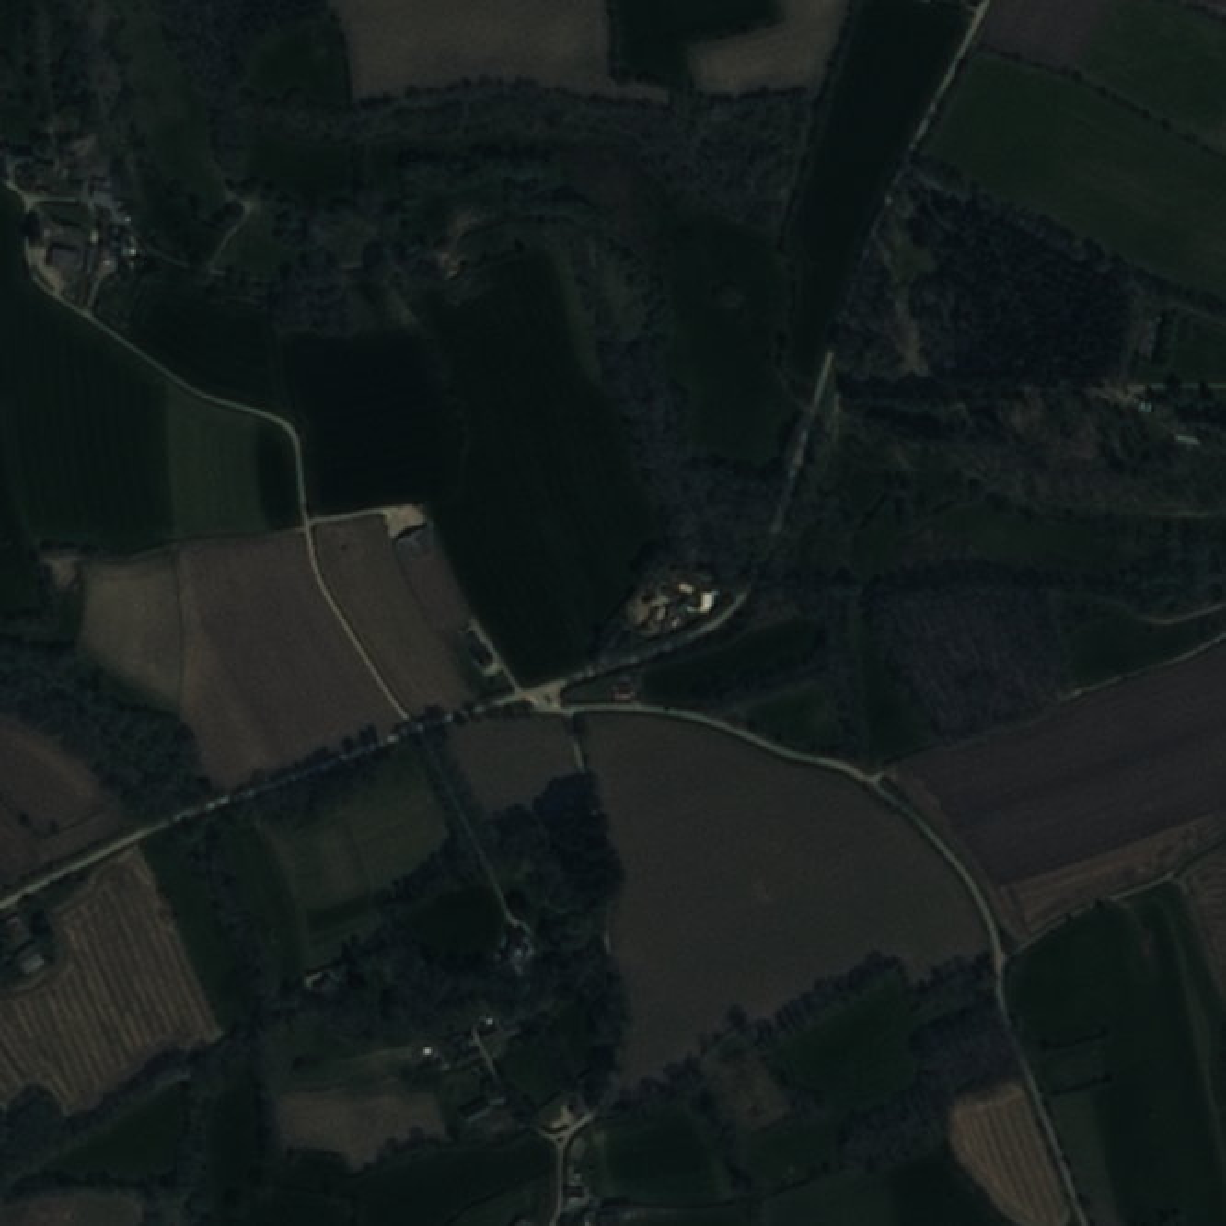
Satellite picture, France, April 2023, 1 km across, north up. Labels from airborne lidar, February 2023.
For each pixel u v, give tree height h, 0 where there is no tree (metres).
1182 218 0
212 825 12
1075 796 0
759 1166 0
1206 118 0
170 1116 0
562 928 23
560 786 0
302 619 0
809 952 0
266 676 0
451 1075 0
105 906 0
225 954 0
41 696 14
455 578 0
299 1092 0
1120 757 0
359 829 0
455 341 0
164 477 0
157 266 10
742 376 0
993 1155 0
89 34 21
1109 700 0
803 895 0
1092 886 0
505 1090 18
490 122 14
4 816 0
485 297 0
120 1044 0
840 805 0
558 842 26
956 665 26
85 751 19
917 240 19
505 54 0
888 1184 0
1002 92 0
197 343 0
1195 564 18
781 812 0
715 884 0
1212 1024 0
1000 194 0
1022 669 27
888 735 0
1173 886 0
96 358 0
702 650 8
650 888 0
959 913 0
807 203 0
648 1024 0
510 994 27
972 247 16
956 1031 16
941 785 0
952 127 0
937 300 21
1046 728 0
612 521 0
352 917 0
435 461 0
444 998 26
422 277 10
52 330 0
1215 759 0
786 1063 0
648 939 0
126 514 0
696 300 0
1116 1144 0
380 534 0
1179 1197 0
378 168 0
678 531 19
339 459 0
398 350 0
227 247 0
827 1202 0
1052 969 0
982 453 22
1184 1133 0
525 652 0
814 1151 0
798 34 0
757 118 9
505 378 0
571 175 0
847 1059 0
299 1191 0
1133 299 21
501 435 0
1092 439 11
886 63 0
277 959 0
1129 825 0
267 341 0
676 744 0
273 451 0
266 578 0
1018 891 0
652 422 21
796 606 24
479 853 30
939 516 0
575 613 0
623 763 0
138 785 16
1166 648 0
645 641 25
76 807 0
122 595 0
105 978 0
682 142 9
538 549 0
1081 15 0
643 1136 0
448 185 13
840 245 0
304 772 14
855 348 21
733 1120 0
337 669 0
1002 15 0
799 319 0
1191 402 9
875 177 0
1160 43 0
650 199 0
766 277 0
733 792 0
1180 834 0
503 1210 0
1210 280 0
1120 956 0
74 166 10
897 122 0
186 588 0
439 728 23
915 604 21
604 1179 0
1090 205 0
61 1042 0
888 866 0
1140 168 0
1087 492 20
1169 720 0
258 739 0
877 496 0
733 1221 0
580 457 0
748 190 8
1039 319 17
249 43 12
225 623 0
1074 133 0
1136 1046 0
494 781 0
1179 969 0
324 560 0
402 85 0
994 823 0
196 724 0
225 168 16
